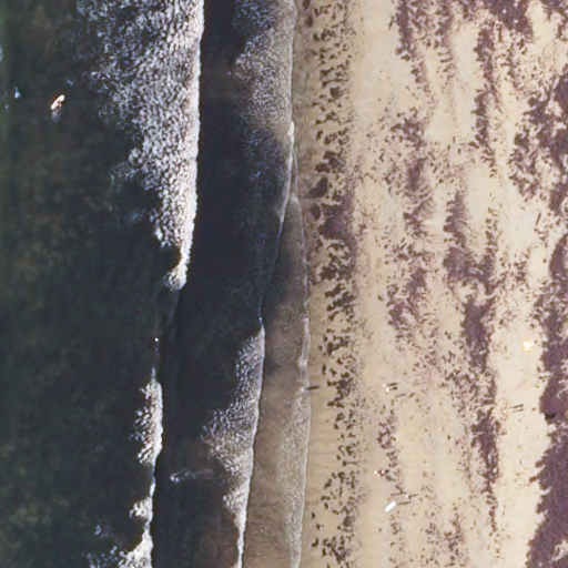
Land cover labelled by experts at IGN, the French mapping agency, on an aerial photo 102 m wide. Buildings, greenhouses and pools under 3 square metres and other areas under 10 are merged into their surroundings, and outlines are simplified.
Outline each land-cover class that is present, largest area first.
<instances>
[{"label":"bare soil","instance_id":"1","mask_svg":"<svg viewBox=\"0 0 568 568\"><path fill-rule=\"evenodd\" d=\"M280 24L264 33H255L246 42L244 53H240V58L235 60L237 64L229 71V78H237L253 89L255 124H260L266 131H275L286 153L284 193L277 206V237L286 242V249L293 257V277L286 284V300L277 306V317L273 320V324L260 328L251 344L244 346L240 359L235 362V373L242 384V402H233L229 408L215 410L211 428L204 426V433L209 435V448H215L226 470L240 475V486L233 493H229L224 501L215 508L211 519V533L202 537V544L209 548L211 564L215 568H568V0H280Z\"/></svg>","mask_w":568,"mask_h":568},{"label":"water","instance_id":"2","mask_svg":"<svg viewBox=\"0 0 568 568\"><path fill-rule=\"evenodd\" d=\"M280 0H0V568H215L211 564L209 548L202 544V537L211 533V519L215 508L224 501L229 493H233L240 486V475L226 470L215 448H209V435L204 433V426L211 428L215 410L229 408L233 402H242V384L235 373V362L240 359L244 346L251 344L260 328L273 324V320L277 317V306L286 300V284L293 277V257L286 249V242L277 237V206L284 193L286 153L275 131H266L260 124H255L253 89L237 78H229V71L237 64L235 60L240 58V53H244L246 42L255 33H264L280 24Z\"/></svg>","mask_w":568,"mask_h":568}]
</instances>
